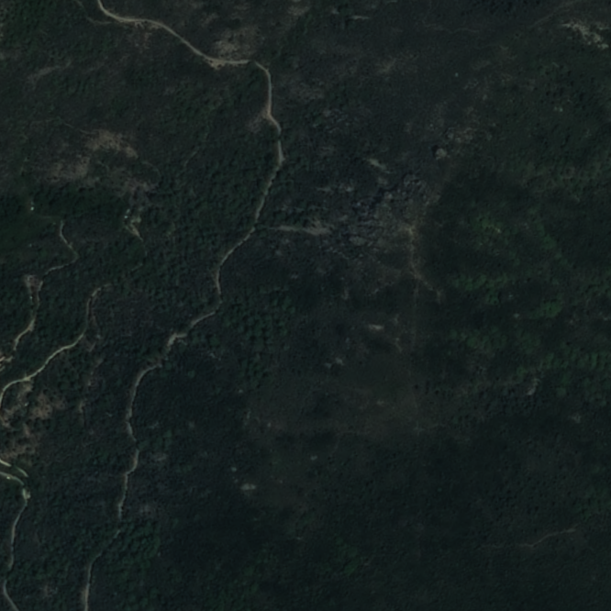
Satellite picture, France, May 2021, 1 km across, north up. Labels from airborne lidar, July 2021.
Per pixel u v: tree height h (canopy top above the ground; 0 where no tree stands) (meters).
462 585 8
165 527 5
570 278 8
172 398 6
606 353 10
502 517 14
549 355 17
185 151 9
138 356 7
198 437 7
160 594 6
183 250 7
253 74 9
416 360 7
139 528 19
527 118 8
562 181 13
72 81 11
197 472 6
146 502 9
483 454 6
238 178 10
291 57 20
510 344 6
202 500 7
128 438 9
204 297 10
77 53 8
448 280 7
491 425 7
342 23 13
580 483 7
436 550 7
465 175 6
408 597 9
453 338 8
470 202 9
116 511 9
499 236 8
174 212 18
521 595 8
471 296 12
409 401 0
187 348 7
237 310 12
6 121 15
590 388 13
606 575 10
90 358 14
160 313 7
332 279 6
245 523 6
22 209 12
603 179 11
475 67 0
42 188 12
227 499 7
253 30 0
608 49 7
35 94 9
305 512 7
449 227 8
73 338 11
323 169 9
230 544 7
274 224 9
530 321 6
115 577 10
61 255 9
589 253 7
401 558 8
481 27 0
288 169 11
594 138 8
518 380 13
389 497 6
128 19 0
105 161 9
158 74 11
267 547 6
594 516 6
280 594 9
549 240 15
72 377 12
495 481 10
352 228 0
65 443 7
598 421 8
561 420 6
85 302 7
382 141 8
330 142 6
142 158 7
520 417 5
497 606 9
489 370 7
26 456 9
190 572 10
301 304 7
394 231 0
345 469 5
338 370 6
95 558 9
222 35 0
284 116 8
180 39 7
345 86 8
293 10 0
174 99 9
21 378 9
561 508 6
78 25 6
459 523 6
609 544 7
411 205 0
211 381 8
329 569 14
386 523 7
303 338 6
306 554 7
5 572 11
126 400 6
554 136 7
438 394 15
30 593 6
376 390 0
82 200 11
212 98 12
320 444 6
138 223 7
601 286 12
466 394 11
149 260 11
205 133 7
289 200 12
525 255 7
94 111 7
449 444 6
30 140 8
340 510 8
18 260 7
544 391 12
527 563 7
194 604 9
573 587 8
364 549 9
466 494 5
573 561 6
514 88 7
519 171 14
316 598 10
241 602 10
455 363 6
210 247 13
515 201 6
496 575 6
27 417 11
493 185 6
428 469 6
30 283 0
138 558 15
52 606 11
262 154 10
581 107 12
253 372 11
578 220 6
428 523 6
